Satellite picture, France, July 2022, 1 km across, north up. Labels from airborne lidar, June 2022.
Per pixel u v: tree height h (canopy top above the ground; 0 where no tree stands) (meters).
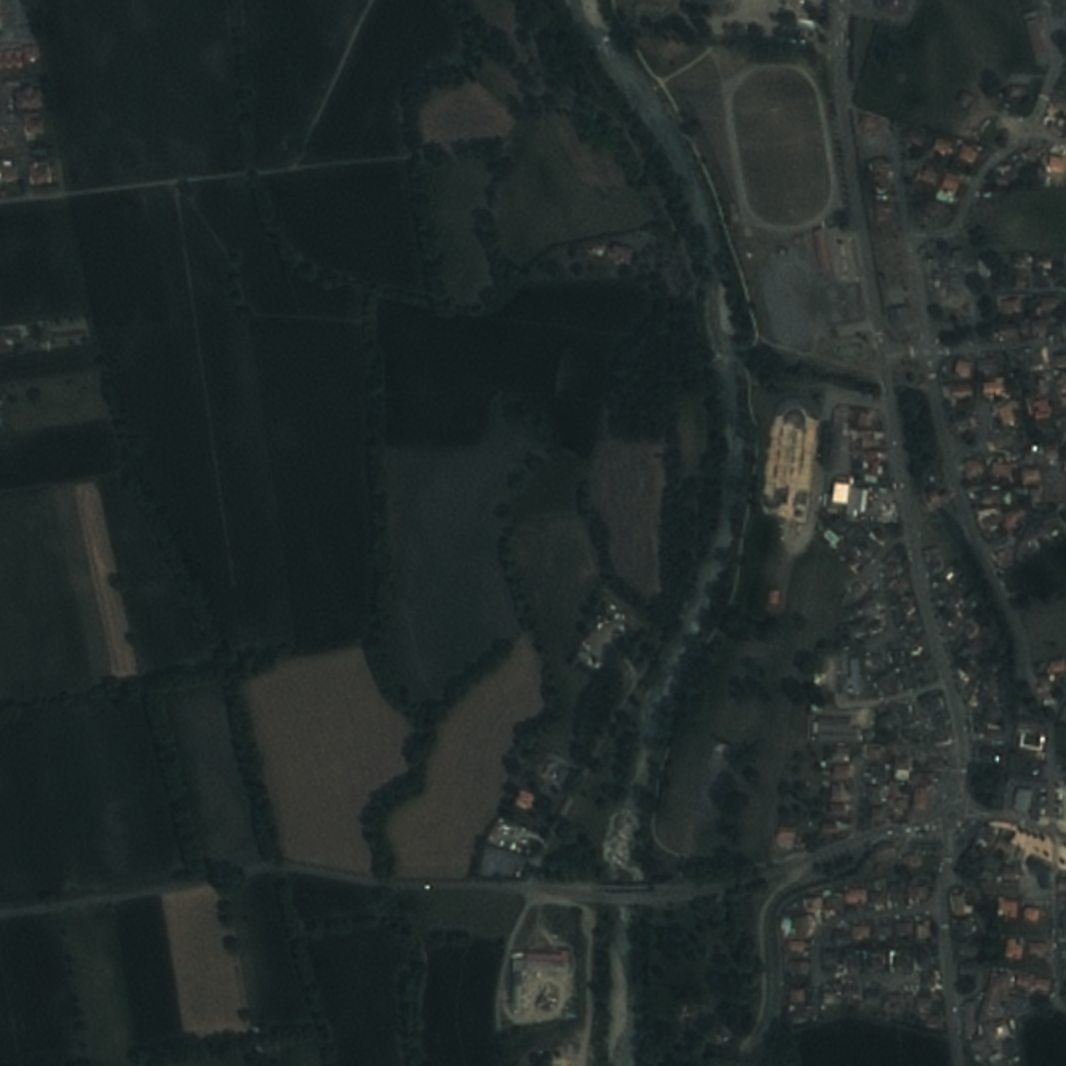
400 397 0
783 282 0
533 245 0
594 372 0
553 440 19
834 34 0
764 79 0
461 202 0
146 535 0
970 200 0
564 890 0
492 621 0
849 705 0
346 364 0
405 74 0
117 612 0
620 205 0
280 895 13
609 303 0
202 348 0
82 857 0
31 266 0
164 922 0
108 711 0
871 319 0
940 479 0
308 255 0
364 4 0
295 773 0
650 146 12
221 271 0
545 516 0
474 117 0
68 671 0
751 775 16
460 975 0
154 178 0
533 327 0
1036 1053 0
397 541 0
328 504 0
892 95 0
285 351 0
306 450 0
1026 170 9
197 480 0
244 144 0
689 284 8
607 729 8
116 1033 0
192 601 19
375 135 0
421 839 0
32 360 0
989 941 15
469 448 0
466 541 0
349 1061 0
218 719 0
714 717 0
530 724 12
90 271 0
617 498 0
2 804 0
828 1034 0
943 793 0
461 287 0
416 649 0
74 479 0
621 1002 0
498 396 7
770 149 0
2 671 0
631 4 0
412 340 0
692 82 0
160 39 0
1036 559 0
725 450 14
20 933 0
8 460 0
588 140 18
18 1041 0
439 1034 0
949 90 0
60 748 0
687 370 23
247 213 0
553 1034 0
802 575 0
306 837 0
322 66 0
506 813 13
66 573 0
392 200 0
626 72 0
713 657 19
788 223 0
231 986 0
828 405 0
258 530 0
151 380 0
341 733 0
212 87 0
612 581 12
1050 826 0
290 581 0
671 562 18
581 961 0
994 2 0
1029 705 12
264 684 0
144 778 0
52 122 0
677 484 11
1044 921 0
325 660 0
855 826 0
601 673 15
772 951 0
